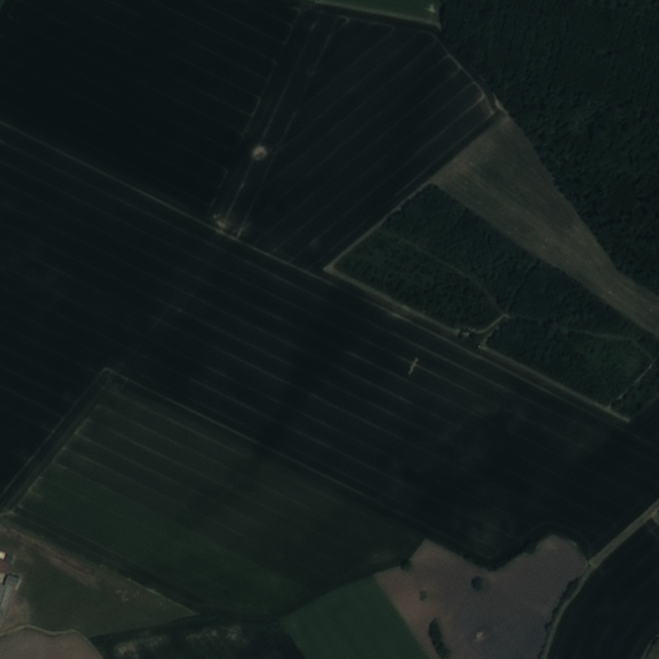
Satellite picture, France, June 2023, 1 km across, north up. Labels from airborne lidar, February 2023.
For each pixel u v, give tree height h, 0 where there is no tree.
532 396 0
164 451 0
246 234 0
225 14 0
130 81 0
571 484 0
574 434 0
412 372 0
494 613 0
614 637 0
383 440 0
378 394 0
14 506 0
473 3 23
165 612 0
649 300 0
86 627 0
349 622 0
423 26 0
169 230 0
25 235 0
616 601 0
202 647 0
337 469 0
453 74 0
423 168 0
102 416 0
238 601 0
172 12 0
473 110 0
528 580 0
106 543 0
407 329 0
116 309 0
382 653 0
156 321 0
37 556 0
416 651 0
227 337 0
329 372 0
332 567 0
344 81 0
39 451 0
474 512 0
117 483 0
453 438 0
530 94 23
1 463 0
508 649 0
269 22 0
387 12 0
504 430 0
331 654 0
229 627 0
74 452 0
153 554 0
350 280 0
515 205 0
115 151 0
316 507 0
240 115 0
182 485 0
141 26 0
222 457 0
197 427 0
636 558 0
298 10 0
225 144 0
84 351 0
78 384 0
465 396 0
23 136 0
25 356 0
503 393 0
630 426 0
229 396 0
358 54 0
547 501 0
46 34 0
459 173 0
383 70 0
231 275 0
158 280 0
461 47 19
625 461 0
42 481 0
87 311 0
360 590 0
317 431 0
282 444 0
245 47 0
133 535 0
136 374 0
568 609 0
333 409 0
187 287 0
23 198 0
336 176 0
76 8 0
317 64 0
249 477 0
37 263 0
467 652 0
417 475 0
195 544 0
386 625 0
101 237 0
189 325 0
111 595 0
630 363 0
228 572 0
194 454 0
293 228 0
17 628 0
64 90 0
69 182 0
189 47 0
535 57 14
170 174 0
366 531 0
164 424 0
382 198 0
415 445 0
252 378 0
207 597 0
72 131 0
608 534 0
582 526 0
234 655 0
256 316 0
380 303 0
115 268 0
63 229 0
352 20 0
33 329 0
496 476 0
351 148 0
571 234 0
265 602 0
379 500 0
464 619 0
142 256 0
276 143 0
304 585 0
